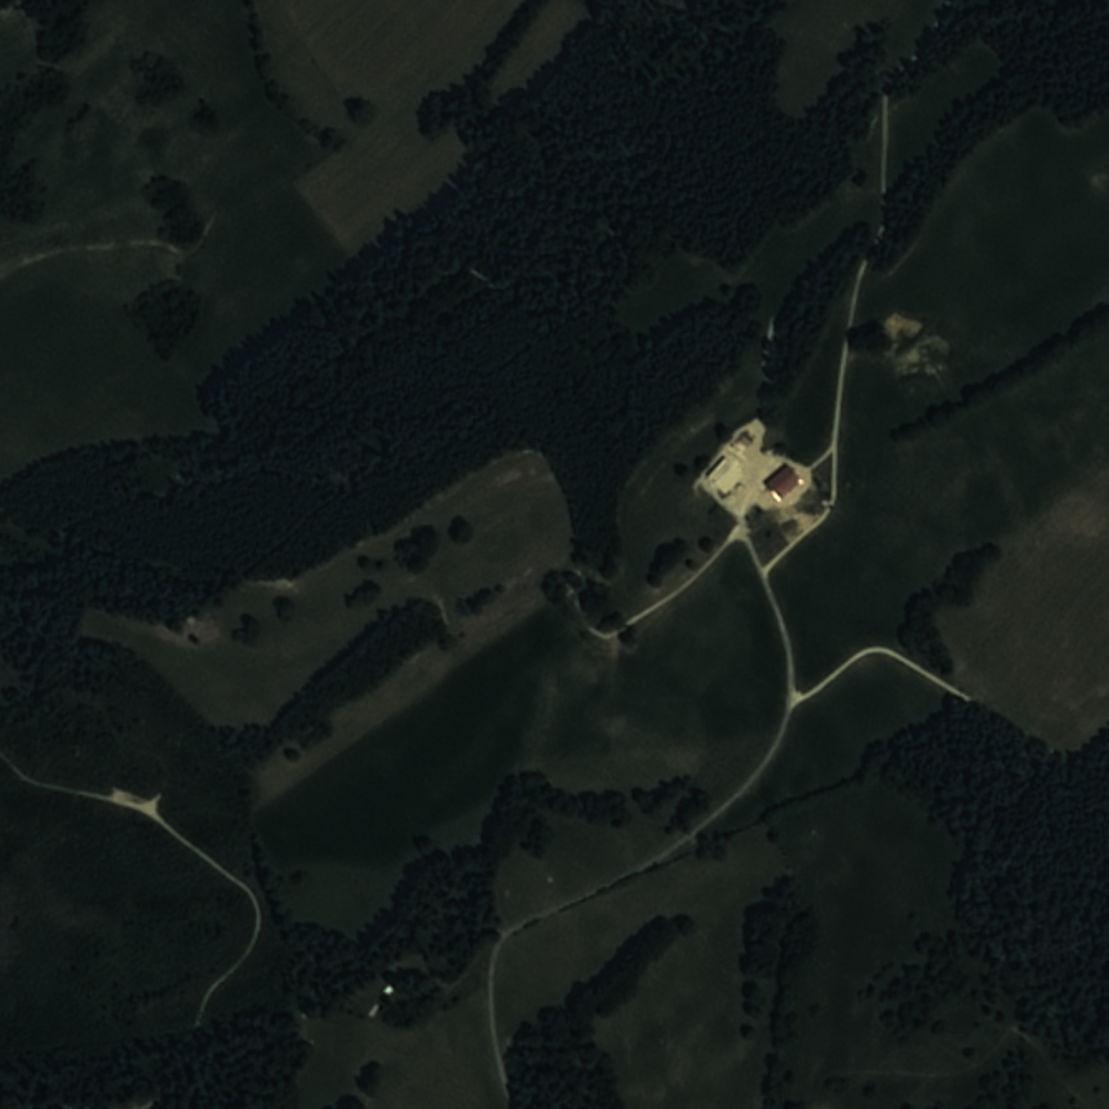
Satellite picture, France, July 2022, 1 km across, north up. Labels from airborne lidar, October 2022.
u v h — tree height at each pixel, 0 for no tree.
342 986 11
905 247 14
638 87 16
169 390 0
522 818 18
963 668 0
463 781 0
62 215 0
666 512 0
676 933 16
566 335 14
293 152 0
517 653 0
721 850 17
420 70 0
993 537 0
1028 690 0
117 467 19
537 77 0
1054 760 16
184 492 16
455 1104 0
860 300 0
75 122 6
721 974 0
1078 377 0
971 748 23
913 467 0
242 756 11
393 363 14
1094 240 0
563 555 0
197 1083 26
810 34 0
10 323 0
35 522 15
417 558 18
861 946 0
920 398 0
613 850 0
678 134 19
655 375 27
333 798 0
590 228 28
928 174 22
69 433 0
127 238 0
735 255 18
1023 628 0
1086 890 28
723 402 0
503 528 0
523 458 0
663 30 16
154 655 0
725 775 0
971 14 14
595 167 19
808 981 0
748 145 13
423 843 15
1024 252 0
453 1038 0
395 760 0
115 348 0
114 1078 16
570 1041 13
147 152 0
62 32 14
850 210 0
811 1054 0
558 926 0
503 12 0
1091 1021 17
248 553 12
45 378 0
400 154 0
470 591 0
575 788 0
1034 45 19
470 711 0
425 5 0
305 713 11
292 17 0
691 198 20
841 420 0
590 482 14
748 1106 0
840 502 0
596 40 16
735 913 0
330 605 0
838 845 0
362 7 0
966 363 0
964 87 0
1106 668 0
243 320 0
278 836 0
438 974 13
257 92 0
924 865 0
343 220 0
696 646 0
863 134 21
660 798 19
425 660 0
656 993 0
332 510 14
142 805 0
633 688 0
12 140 7
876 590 0
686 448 0
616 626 14
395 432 23
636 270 23
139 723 7
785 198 20
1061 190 0
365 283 29
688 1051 0
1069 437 0
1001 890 27
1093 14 18
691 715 0
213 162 0
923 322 0
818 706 0
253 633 7
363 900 0
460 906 19
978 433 0
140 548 16
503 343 12
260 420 20
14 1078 28
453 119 24
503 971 0
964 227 0
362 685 11
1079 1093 0
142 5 0
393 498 12
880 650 0
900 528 0
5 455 0
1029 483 0
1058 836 24
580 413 11
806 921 12
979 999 6
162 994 9
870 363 0
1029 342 0
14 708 6
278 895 18
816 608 0
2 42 0
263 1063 21
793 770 0
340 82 0
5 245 0
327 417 11
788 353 20
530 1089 30
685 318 15
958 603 13
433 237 28
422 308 13
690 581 0
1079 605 0
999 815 21
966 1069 0
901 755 26
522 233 32
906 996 11
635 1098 0
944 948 9
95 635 0
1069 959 22
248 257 0
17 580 21
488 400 21
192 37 0
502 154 18
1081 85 16
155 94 6
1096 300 0
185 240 10
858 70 22
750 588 0
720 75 18
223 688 0
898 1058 0
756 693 0
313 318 25
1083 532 0
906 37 0
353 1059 0
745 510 0
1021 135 0
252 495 14
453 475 13
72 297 0
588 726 0
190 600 24
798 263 0
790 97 0
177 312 14
